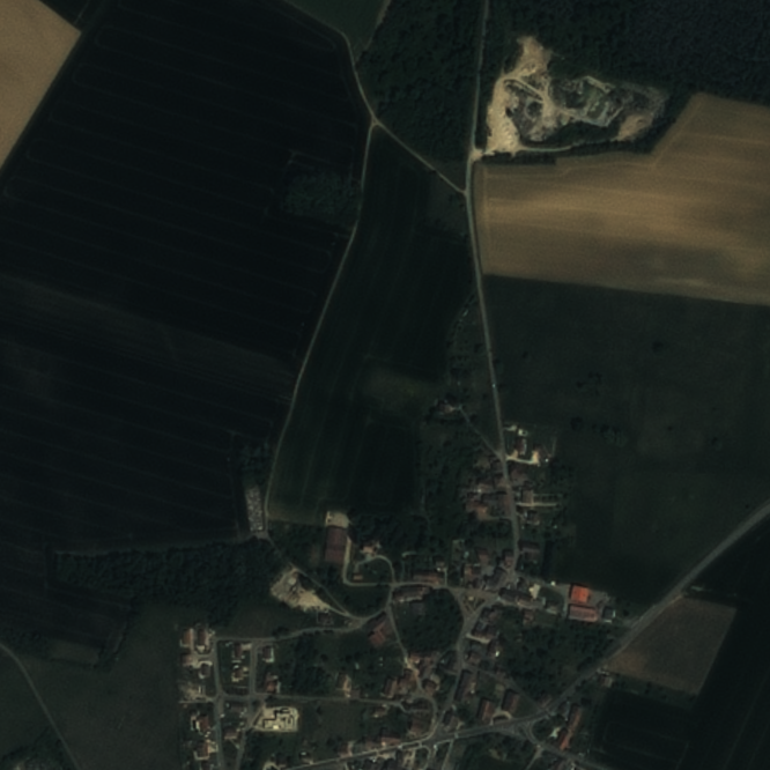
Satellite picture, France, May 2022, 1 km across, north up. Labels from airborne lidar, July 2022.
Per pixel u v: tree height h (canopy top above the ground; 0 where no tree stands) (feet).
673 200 0
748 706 0
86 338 0
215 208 0
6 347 0
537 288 0
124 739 0
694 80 52
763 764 0
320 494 0
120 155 0
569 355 0
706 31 59
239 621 0
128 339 0
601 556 0
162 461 0
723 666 0
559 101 0
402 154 0
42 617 0
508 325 0
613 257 0
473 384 0
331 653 0
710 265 0
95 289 0
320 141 0
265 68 0
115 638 0
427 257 0
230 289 0
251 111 0
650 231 0
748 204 0
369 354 0
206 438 0
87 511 0
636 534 0
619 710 0
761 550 0
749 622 0
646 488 0
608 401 0
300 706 0
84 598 0
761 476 0
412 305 0
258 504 0
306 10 0
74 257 0
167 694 0
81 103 0
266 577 56
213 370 0
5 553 0
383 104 24
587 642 24
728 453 0
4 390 0
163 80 0
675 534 0
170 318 0
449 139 51
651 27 59
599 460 0
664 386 0
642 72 42
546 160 27
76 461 0
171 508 0
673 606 0
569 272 0
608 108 0
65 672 0
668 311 0
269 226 0
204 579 63
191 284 0
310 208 45
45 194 0
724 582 0
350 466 0
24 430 0
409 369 0
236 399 0
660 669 0
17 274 0
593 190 0
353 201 67
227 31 0
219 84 0
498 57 42
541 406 0
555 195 0
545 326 0
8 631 17
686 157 0
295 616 0
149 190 0
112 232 0
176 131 0
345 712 0
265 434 0
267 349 0
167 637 0
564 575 0
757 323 0
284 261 0
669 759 0
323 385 0
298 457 0
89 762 0
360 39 0
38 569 0
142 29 0
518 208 0
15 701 0
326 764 0
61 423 0
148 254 0
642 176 0
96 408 0
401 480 0
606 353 0
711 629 0
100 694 0
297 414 0
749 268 0
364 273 0
